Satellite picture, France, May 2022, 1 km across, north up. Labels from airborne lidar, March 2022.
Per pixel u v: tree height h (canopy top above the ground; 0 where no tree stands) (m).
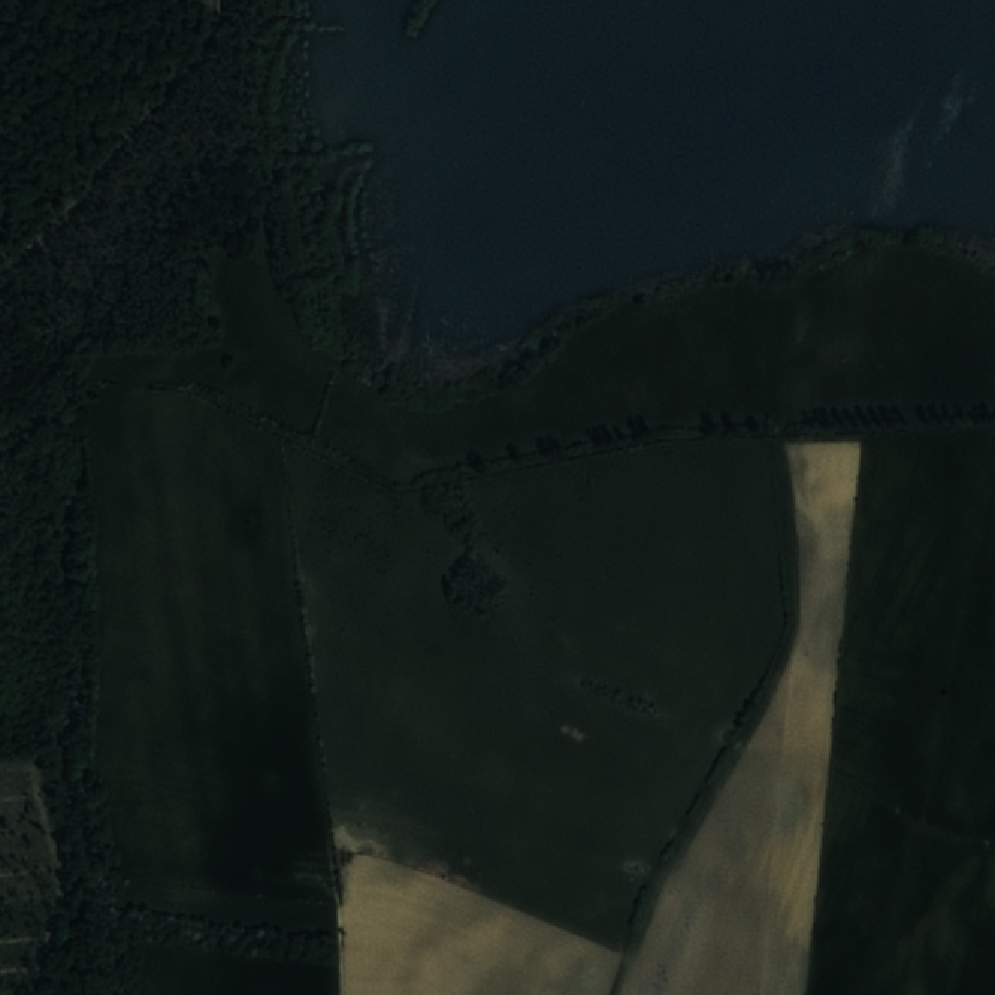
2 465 8
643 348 0
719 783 0
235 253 31
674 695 0
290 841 0
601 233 0
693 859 0
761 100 0
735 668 0
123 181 26
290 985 0
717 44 0
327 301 12
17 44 18
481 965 0
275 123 13
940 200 0
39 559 19
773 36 0
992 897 0
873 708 0
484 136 0
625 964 0
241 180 29
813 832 0
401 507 0
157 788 0
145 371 0
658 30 0
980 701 0
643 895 6
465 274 0
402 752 0
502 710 0
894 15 0
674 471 0
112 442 0
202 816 0
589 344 0
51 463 21
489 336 0
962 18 0
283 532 0
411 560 0
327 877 0
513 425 0
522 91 0
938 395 0
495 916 0
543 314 0
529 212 0
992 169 0
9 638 10
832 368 0
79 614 20
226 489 0
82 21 21
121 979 13
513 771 0
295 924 0
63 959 22
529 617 0
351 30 0
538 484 0
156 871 0
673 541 0
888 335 0
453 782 0
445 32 0
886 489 0
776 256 0
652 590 0
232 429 0
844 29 0
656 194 0
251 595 0
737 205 0
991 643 0
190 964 0
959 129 0
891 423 26
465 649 0
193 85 26
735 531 0
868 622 0
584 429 0
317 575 0
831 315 0
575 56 0
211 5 21
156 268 19
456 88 0
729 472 0
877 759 0
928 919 0
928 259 0
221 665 0
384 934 0
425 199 0
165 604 0
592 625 0
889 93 0
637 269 0
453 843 0
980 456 0
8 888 0
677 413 0
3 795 0
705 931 0
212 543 0
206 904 0
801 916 0
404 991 0
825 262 8
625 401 0
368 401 0
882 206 0
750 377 0
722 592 0
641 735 0
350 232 14
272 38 10
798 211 0
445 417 0
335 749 0
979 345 0
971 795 0
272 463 0
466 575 19
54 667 12
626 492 0
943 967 0
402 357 0
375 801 0
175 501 0
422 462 0
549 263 0
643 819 0
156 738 0
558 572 0
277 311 0
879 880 0
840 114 0
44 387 26
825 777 0
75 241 25
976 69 0
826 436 0
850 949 0
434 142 0
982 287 0
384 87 0
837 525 0
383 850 0
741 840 0
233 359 10
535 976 0
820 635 0
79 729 16
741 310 0
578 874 0
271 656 0
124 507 0
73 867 23
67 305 23
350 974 0
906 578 0
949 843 0
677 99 0
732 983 0
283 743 0
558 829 0
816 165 0
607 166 0
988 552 0
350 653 0
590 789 0
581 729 0
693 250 0
